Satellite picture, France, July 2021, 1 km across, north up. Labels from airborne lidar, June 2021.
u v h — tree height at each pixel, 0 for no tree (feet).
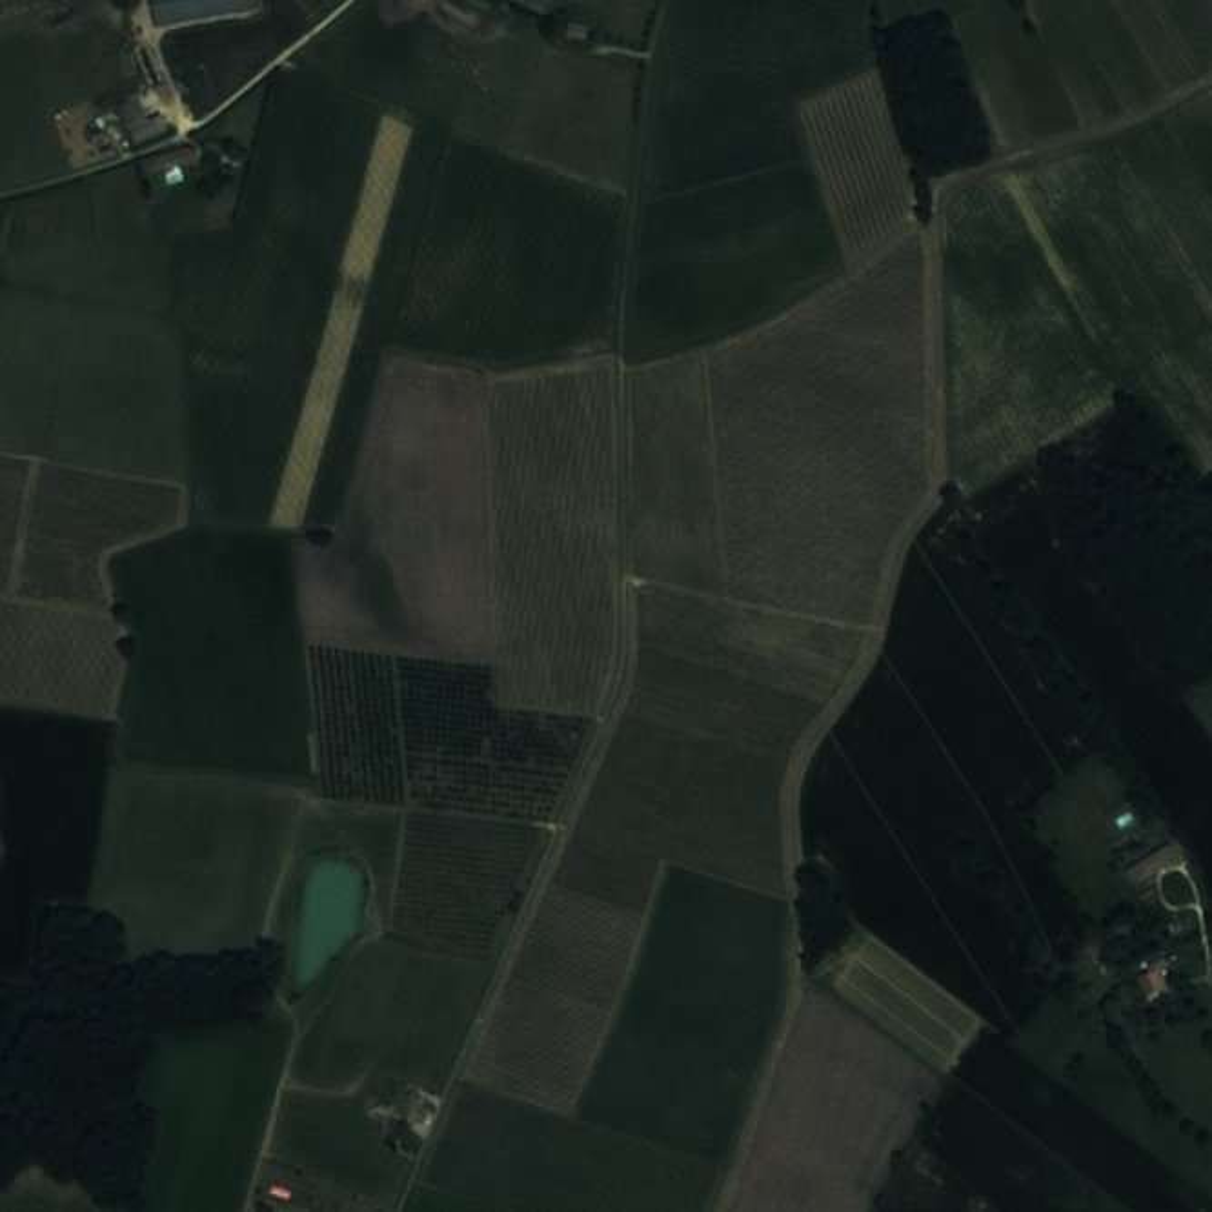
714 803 0
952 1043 0
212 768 0
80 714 0
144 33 0
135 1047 52
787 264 0
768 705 0
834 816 0
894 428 0
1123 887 0
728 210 0
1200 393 0
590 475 0
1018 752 0
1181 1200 0
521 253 0
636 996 0
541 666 0
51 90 0
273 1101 0
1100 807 0
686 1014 0
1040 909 0
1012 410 0
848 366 0
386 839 0
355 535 0
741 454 0
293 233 0
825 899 66
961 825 0
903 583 0
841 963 0
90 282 0
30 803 0
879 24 24
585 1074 0
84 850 0
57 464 0
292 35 0
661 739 0
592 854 0
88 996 83
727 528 0
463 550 0
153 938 0
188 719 0
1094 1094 0
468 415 0
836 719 0
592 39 20
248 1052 0
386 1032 0
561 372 0
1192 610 73
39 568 0
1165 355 0
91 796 0
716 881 0
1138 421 77
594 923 0
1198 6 0
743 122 0
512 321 0
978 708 0
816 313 0
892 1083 0
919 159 56
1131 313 0
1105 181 0
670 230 0
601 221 0
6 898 0
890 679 0
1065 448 44
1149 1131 0
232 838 0
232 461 0
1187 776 0
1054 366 0
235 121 0
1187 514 94
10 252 0
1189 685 56
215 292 0
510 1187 0
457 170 0
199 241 0
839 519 0
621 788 0
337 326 0
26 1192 0
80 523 0
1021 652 0
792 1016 0
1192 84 0
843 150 0
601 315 0
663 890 0
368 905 0
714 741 0
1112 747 38
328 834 0
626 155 0
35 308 0
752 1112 0
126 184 0
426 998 0
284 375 0
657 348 0
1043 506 0
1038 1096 0
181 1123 0
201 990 84
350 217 0
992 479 0
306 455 0
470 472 0
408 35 0
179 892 0
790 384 0
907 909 0
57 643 0
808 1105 0
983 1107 0
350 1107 0
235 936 0
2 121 0
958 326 0
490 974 0
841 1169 0
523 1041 0
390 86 0
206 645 0
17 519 0
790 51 0
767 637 0
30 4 0
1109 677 0
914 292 0
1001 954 0
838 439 0
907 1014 0
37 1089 86
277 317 0
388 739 18
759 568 0
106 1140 88
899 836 0
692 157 0
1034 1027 0
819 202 0
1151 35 0
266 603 0
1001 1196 0
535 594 0
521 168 0
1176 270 0
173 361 0
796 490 0
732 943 0
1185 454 47
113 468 0
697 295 0
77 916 63
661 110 0
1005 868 0
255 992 72
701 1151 0
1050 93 0
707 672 0
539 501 0
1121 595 50
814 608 0
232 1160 0
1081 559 59
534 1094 0
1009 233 0
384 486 0
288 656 0
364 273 0
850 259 0
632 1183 0
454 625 0
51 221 0
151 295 0
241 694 0
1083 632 0
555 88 0
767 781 0
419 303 0
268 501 0
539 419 0
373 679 20
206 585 0
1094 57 0
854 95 0
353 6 0
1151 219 0
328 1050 0
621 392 0
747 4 0
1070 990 73
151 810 0
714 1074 0
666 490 0
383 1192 0
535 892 0
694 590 0
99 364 0
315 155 0
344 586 0
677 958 0
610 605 0
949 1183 0
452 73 0
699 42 0
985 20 0
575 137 0
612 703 0
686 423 0
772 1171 0
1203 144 0
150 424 0
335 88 0
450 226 0
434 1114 0
